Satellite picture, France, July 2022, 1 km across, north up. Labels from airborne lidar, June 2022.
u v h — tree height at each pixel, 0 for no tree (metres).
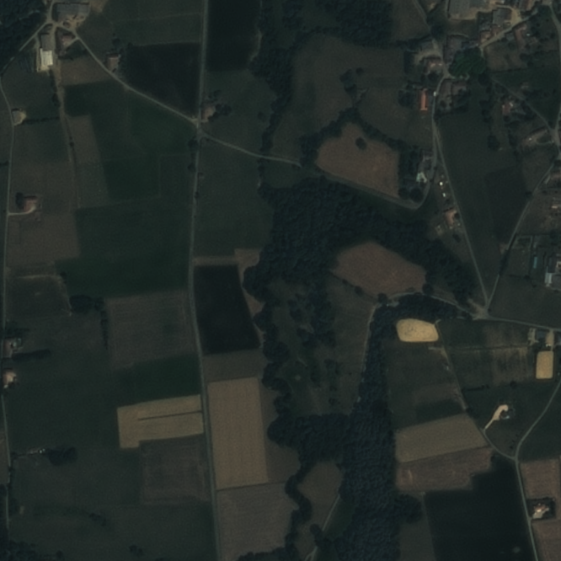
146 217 0
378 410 21
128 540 0
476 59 15
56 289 0
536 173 0
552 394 0
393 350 0
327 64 0
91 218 0
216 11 0
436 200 0
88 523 0
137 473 0
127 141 0
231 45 0
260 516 0
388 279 0
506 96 6
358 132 0
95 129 0
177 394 0
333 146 0
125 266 0
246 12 0
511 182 0
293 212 21
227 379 0
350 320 0
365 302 0
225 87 0
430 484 0
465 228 0
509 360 0
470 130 0
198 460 0
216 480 0
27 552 17
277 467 0
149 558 0
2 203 0
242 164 0
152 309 0
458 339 0
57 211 0
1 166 9
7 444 0
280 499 0
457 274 11
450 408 0
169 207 0
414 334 0
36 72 0
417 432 0
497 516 0
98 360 0
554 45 0
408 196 9
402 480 0
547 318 0
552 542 0
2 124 0
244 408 0
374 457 25
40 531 0
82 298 16
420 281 0
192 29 0
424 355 0
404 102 12
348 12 19
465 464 0
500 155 0
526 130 0
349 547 25
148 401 0
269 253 22
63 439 0
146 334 0
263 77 8
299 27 13
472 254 0
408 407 0
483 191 0
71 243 0
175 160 0
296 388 0
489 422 0
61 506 0
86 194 0
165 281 0
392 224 16
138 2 0
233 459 0
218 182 0
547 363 0
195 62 0
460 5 0
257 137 0
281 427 18
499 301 0
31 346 0
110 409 0
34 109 0
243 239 0
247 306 0
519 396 0
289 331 0
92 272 0
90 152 0
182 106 0
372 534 17
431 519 0
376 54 0
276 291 0
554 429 0
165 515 0
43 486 0
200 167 0
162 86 0
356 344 0
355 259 0
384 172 0
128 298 0
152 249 0
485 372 0
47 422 0
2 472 0
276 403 12
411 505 20
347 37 21
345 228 17
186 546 0
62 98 0
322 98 0
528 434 0
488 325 0
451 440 0
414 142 0
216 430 0
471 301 0
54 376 0
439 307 16
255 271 14
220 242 0
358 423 23
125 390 0
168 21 0
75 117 0
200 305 0
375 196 0
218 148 0
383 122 0
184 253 0
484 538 0
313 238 13
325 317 27
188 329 0
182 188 0
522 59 10
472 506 0
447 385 0
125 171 0
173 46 0
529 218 0
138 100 0
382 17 13
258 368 0
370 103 0
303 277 23
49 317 0
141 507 0
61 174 0
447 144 0
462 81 0
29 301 0
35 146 0
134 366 0
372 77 0
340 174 0
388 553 22
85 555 0
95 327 0
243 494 0
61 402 0
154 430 0
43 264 0
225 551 0
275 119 15
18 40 11
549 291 0
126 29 0
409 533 0
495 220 0
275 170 0
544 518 0
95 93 0
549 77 0
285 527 0
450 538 0
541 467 0
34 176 0
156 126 0
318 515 0
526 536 0
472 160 0
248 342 0
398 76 0
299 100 0
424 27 0
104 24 0
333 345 10
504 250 0
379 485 22
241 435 0
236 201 0
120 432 0
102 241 0
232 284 0
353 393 0
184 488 0
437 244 17
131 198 0
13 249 0
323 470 0
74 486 0
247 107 0
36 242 0
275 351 18
